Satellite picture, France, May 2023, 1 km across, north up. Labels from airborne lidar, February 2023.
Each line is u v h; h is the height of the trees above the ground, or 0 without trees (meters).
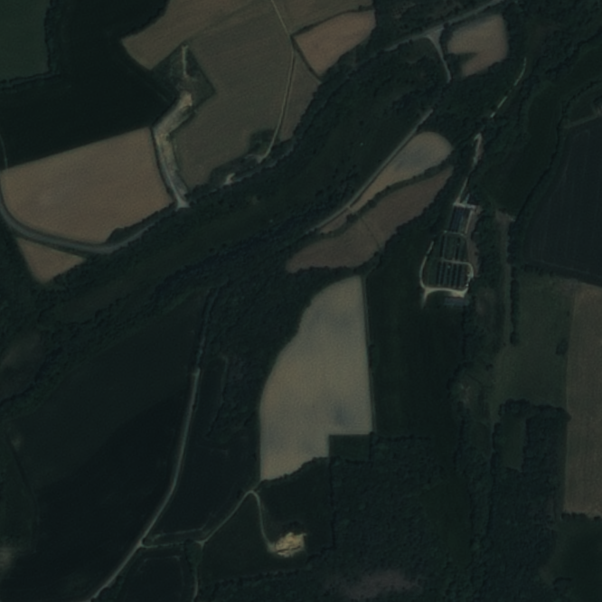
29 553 0
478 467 12
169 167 0
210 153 0
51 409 0
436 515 0
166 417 0
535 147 0
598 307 0
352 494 17
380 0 15
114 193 0
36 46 0
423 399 0
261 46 0
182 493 0
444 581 14
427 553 18
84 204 0
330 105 18
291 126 0
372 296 0
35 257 0
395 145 0
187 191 0
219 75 0
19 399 13
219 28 0
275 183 17
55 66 11
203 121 0
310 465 10
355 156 0
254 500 0
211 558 0
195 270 16
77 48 0
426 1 13
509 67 15
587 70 0
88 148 0
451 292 0
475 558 11
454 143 7
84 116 0
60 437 0
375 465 15
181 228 17
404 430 0
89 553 0
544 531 12
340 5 0
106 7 0
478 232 10
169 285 19
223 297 13
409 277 0
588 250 0
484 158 7
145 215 0
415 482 23
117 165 0
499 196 0
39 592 0
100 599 12
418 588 7
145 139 0
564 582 14
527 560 12
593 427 0
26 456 0
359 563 9
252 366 13
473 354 18
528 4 18
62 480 0
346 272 8
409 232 17
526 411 25
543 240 0
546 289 0
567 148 0
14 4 0
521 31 21
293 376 0
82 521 0
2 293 17
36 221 0
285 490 0
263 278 12
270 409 0
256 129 0
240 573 0
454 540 0
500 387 0
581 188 0
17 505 0
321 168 0
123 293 0
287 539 0
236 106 0
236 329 15
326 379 0
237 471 0
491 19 0
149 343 0
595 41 11
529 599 18
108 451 0
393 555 16
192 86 0
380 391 0
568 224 0
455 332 0
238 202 19
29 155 0
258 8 0
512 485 18
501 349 0
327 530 0
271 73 0
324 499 0
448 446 0
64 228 0
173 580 0
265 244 21
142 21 0
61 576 0
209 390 0
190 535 0
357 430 0
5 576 0
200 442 0
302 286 12
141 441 0
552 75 16
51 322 11
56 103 0
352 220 12
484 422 0
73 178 0
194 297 0
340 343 0
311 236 14
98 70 0
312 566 8
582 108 0
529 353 0
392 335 0
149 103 0
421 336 0
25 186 0
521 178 0
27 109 0
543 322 0
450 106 20
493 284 15
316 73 0
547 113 0
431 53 0
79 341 12
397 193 0
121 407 0
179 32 0
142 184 0
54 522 0
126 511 0
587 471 0
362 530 21
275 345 18
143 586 0
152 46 0
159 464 0
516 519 12
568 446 0
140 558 0
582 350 0
